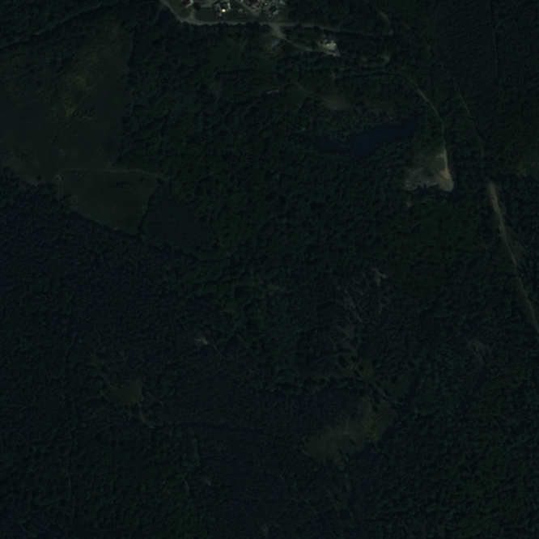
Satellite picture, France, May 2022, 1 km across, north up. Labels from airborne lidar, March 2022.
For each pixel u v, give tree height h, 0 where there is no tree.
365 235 12
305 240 13
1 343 17
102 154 0
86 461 14
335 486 23
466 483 26
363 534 23
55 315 20
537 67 21
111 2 14
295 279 28
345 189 12
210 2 0
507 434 26
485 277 17
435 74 11
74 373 17
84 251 24
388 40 15
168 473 8
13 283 24
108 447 17
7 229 31
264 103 10
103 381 11
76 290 24
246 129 16
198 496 19
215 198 9
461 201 10
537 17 18
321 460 0
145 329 27
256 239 9
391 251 13
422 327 25
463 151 10
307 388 25
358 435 0
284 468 23
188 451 20
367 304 17
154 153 11
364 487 24
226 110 14
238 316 7
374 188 7
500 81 16
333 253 17
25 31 17
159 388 19
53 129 0
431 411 22
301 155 11
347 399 22
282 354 24
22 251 28
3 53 12
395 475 26
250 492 25
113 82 0
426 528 22
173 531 16
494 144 9
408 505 22
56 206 16
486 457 28
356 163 18
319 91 13
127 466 15
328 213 7
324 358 24
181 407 23
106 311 25
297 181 16
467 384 20
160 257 30
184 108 20
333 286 17
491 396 17
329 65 11
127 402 0
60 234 24
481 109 15
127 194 0
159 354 29
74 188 0
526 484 28
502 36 14
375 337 20
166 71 20
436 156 0
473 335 21
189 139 13
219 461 24
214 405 21
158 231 10
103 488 18
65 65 10
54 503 15
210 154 14
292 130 8
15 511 31
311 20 19
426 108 10
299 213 9
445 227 14
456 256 7
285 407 26
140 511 14
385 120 12
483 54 18
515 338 24
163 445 13
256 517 25
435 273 14
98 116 0
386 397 6
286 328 24
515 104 11
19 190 9
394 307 25
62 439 26
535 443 8
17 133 0
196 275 10
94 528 11
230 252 13
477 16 19
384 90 15
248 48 6
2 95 0
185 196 7
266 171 8
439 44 9
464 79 13
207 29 15
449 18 19
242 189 12
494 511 27
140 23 12
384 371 18
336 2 22
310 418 23
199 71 18
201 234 10
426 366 27
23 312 11
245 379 23
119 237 21
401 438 27
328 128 9
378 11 15
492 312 11
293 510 24
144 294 24
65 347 15
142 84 17
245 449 24
